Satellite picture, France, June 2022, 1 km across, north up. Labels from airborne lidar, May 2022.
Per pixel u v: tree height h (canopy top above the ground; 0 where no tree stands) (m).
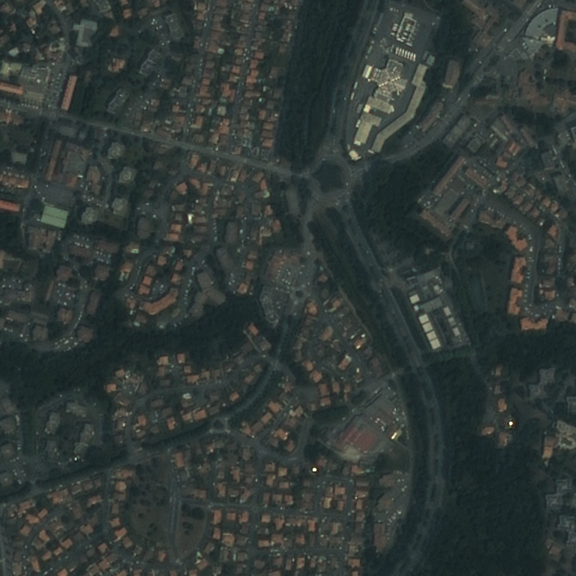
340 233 17
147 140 9
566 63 14
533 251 0
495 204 0
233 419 11
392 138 0
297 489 10
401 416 0
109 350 24
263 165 0
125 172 0
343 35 17
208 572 0
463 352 17
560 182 0
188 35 9
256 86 7
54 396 13
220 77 6
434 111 0
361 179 0
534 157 15
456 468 18
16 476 0
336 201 0
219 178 9
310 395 0
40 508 9
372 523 7
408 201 7
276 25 11
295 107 28
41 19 8
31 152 10
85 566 10
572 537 0
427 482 15
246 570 10
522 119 15
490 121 7
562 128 0
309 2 16
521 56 0
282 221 10
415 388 20
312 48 10
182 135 11
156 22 0
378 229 26
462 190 0
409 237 17
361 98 0
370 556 17
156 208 0
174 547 0
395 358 13
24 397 31
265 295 0
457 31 29
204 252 0
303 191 12
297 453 0
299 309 0
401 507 0
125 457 13
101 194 7
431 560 12
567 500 11
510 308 0
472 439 17
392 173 11
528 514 13
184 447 6
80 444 0
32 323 6
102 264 10
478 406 24
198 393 15
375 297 24
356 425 0
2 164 9
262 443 6
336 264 7
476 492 15
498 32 0
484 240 14
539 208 6
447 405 10
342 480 0
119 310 8
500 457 25
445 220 0
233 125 0
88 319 8
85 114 17
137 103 0
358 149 0
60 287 0
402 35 0
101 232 22
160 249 13
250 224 12
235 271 0
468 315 19
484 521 16
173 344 21
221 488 0
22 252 17
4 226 10
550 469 12
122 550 7
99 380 26
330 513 0
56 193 0
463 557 20
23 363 25
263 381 11
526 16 0
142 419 0
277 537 0
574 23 7
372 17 0
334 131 11
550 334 13
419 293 0
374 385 0
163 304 0
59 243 19
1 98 6
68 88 0
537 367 10
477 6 0
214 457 13
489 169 7
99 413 0
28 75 0
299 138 11
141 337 19
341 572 0
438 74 11
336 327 0
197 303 0
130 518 0
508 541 20
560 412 20
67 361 33
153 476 24
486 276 0
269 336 19
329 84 10
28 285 0
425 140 0
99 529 11
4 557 0
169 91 9
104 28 10
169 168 8
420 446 0
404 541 20
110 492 7
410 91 0
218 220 13
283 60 0
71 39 9
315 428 11
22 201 0
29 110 0
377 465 9
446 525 14
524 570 22
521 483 31
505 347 25
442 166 10
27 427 20
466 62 8
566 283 16
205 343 28
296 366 14
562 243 0
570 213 9
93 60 9
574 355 18
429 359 24
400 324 6
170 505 0
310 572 6
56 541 8
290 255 0
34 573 13
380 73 0
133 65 9
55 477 7
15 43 17
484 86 12
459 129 0
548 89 0
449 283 0
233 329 19
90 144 17
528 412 0
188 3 12
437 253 16
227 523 0
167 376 8
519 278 0
